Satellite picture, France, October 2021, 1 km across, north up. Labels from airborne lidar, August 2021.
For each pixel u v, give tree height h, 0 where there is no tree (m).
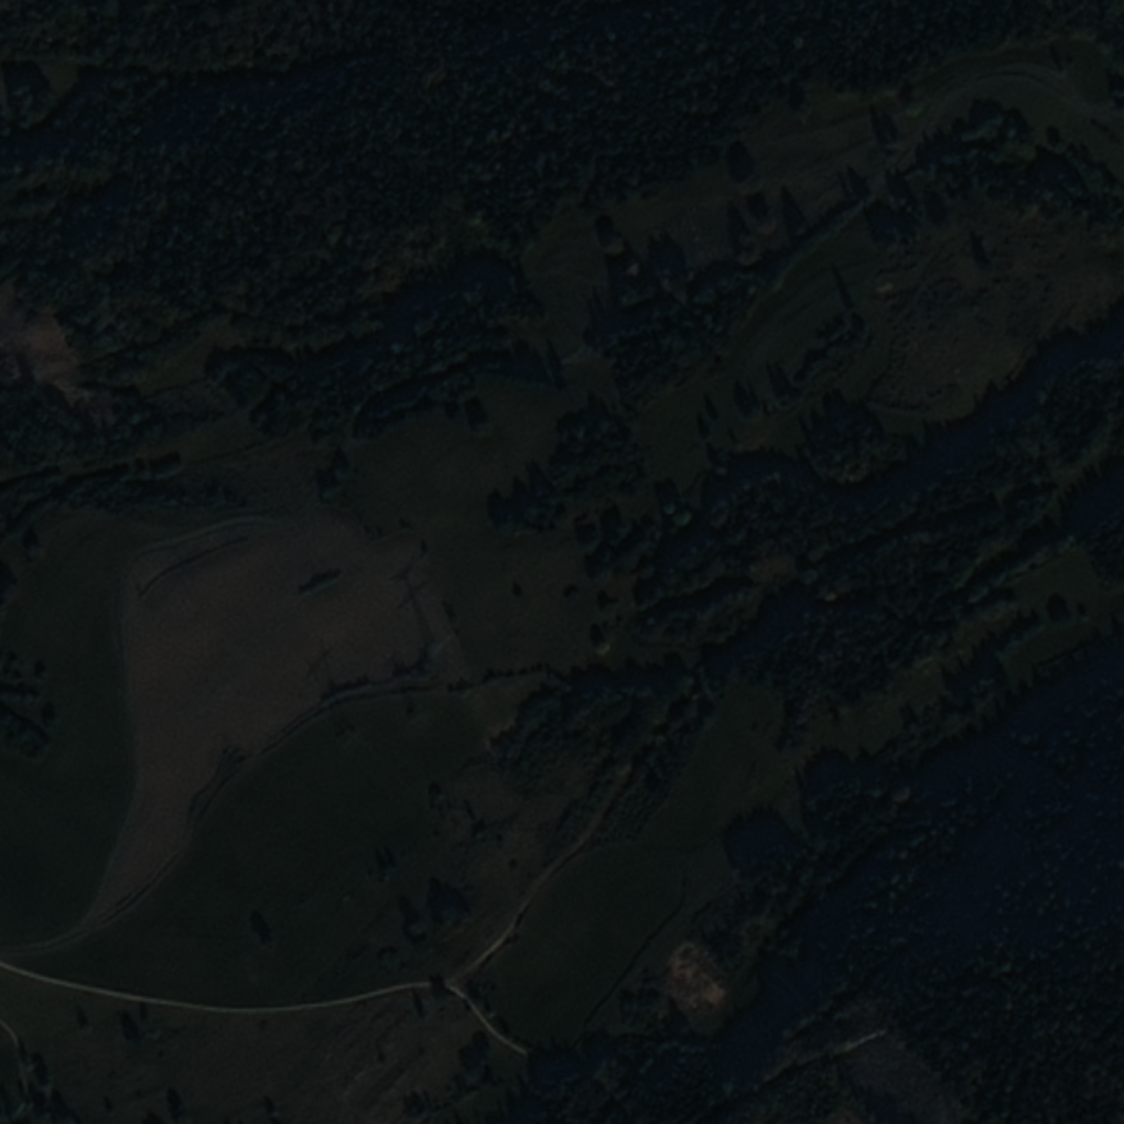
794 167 0
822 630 17
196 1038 0
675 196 0
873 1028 15
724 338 15
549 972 0
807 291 0
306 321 10
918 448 0
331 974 0
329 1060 0
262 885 0
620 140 21
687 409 0
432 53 28
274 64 21
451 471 0
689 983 10
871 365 0
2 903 0
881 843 21
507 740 9
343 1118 0
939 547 20
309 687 0
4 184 18
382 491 0
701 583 17
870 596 5
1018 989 19
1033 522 7
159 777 0
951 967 24
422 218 17
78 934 0
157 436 13
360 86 19
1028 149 16
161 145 23
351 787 0
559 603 0
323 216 18
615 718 14
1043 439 24
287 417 8
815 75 18
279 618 0
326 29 23
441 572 0
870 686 27
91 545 0
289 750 0
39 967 0
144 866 0
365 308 13
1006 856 26
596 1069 17
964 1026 17
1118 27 17
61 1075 0
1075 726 19
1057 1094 15
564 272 0
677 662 0
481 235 16
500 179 18
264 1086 0
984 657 0
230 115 15
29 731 9
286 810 0
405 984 0
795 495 23
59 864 0
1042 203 22
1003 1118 16
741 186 17
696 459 0
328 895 0
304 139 24
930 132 0
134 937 0
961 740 0
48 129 9
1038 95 0
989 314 0
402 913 0
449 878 0
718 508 17
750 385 0
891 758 9
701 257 0
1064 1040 23
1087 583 0
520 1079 0
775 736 0
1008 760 8
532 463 0
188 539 0
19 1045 0
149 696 0
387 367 19
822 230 5
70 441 9
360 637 0
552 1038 0
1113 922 22
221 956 0
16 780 0
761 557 16
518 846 0
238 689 0
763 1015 0
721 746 0
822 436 10
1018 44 8
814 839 20
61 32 13
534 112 25
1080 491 0
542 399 0
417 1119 15
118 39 9
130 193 21
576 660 0
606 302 0
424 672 7
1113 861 34
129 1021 0
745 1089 17
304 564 0
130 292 18
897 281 0
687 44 21
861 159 0
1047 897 31
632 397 12
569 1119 17
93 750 0
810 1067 7
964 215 0
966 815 33
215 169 25
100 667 0
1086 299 0
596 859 0
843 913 30
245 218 28
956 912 17
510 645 0
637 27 32
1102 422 20
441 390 8
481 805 0
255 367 9
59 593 0
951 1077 17
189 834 0
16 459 10
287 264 20
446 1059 0
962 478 29
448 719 0
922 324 0
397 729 0
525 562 0
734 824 0
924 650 20
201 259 19
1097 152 0
